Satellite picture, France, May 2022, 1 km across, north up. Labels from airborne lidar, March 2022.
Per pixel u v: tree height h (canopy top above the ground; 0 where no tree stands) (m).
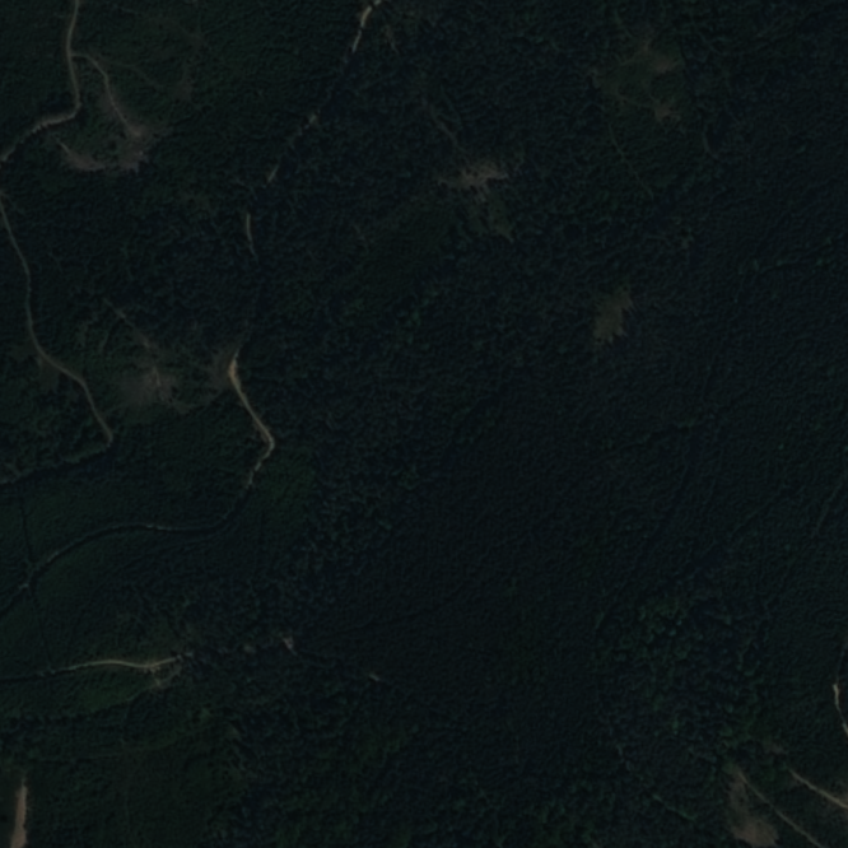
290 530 12
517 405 30
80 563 10
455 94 24
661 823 31
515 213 32
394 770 35
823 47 26
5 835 0
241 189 11
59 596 14
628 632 23
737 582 16
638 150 10
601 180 16
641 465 30
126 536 11
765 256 23
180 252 37
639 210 12
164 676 6
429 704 30
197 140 11
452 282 29
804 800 9
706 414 26
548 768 29
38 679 14
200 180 8
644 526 26
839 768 12
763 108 29
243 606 21
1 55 10
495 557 29
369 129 29
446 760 34
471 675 31
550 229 30
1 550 12
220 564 12
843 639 8
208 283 34
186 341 29
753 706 32
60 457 10
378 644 34
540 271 12
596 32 27
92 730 16
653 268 26
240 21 10
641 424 29
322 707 38
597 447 28
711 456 28
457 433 21
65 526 11
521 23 28
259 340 25
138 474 13
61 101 7
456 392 13
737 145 29
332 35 10
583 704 25
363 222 34
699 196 27
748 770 30
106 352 11
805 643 15
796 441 13
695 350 27
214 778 8
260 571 18
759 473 16
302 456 6
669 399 29
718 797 26
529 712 26
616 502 24
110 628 13
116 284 16
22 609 12
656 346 30
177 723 14
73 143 6
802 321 22
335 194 31
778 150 27
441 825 34
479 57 30
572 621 25
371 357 29
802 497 13
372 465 36
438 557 35
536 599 21
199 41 0
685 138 8
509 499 28
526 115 28
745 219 27
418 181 29
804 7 29
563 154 31
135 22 6
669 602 36
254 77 8
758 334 22
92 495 18
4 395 18
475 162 29
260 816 38
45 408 27
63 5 7
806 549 6
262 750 41
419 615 33
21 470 12
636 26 28
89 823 8
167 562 19
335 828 33
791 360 22
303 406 31
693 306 24
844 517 10
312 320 10
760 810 6
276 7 13
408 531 32
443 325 30
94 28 7
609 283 28
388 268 9
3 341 11
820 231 22
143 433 13
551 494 31
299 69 8
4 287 8
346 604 34
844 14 23
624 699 26
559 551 27
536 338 29
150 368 0
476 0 18
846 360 21
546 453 33
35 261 16
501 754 30
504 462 26
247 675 39
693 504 27
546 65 29
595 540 29
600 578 27
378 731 28
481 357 34
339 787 31
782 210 26
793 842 12
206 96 10
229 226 15
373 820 35
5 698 11
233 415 13
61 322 14
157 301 9
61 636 15
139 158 0
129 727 14
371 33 9
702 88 33
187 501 16
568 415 27
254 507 12
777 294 21
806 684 11
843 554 7
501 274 29
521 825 22
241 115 10
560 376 31
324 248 33
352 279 12
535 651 18
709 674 12
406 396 37
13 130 14
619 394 28
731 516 17
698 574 14
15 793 0
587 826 16
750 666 19
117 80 7
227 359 0
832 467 8
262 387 23
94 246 15
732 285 25
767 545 12
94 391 7
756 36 7
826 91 28
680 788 26
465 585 30
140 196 21
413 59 27
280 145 14
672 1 28
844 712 10
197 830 5
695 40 7
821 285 26
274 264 28
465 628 31
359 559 32
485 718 32
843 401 7
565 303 23
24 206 13
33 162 10
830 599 10
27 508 10
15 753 22
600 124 28
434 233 8
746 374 26
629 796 29
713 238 25
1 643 13
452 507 32
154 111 6
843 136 25
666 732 26
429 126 29
